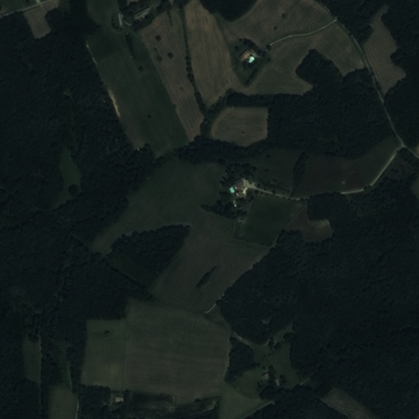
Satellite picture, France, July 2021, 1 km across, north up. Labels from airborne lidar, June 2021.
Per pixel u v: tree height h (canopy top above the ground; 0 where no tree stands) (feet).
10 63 61
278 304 64
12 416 46
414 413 57
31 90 58
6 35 57
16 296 66
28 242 65
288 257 72
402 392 74
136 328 0
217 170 0
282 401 62
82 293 79
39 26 0
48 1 0
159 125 0
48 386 60
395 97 42
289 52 0
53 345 40
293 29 0
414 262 63
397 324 86
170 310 0
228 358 0
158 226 0
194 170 0
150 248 62
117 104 0
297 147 59
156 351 0
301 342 76
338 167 0
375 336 84
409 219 52
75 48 72
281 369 0
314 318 61
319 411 65
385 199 69
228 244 0
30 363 0
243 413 0
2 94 63
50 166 66
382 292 68
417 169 40
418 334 87
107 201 68
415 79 35
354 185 0
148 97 0
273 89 0
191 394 0
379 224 34
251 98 40
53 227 83
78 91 61
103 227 80
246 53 0
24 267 57
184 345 0
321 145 66
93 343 0
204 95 0
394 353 89
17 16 31
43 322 46
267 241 0
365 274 42
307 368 70
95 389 59
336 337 67
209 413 34
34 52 51
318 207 54
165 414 0
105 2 0
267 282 40
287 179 0
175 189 0
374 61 0
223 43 0
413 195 45
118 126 50
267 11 0
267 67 0
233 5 51
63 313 81
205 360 0
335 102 69
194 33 0
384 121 41
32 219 25
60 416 0
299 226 0
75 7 45
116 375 0
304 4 0
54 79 75
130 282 75
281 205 0
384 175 26
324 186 0
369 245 86
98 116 42
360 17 63
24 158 74
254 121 0
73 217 58
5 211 73
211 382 0
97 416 67
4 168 85
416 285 65
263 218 0
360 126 63
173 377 0
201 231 0
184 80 0
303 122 72
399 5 72
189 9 0
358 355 88
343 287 63
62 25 61
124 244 87
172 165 0
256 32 0
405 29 66
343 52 0
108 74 0
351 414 0
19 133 62
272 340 37
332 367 65
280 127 62
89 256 71
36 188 71
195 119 0
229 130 0
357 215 52
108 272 76
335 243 66
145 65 0
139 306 0
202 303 0
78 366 52
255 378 0
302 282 55
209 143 72
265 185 18
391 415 66
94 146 50
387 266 79
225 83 0
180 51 0
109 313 71
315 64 61
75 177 0
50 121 83
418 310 55
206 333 0
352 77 74
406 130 36
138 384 0
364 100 62
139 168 79
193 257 0
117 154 67
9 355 68
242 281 44
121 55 0
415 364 67
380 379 55
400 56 63
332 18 0
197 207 0
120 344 0
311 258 55
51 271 92
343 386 52
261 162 0
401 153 23
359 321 69
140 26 25
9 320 72
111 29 0
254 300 50
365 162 0
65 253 75
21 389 55
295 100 58
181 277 0
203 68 0
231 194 22
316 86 37
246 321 60
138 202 0
